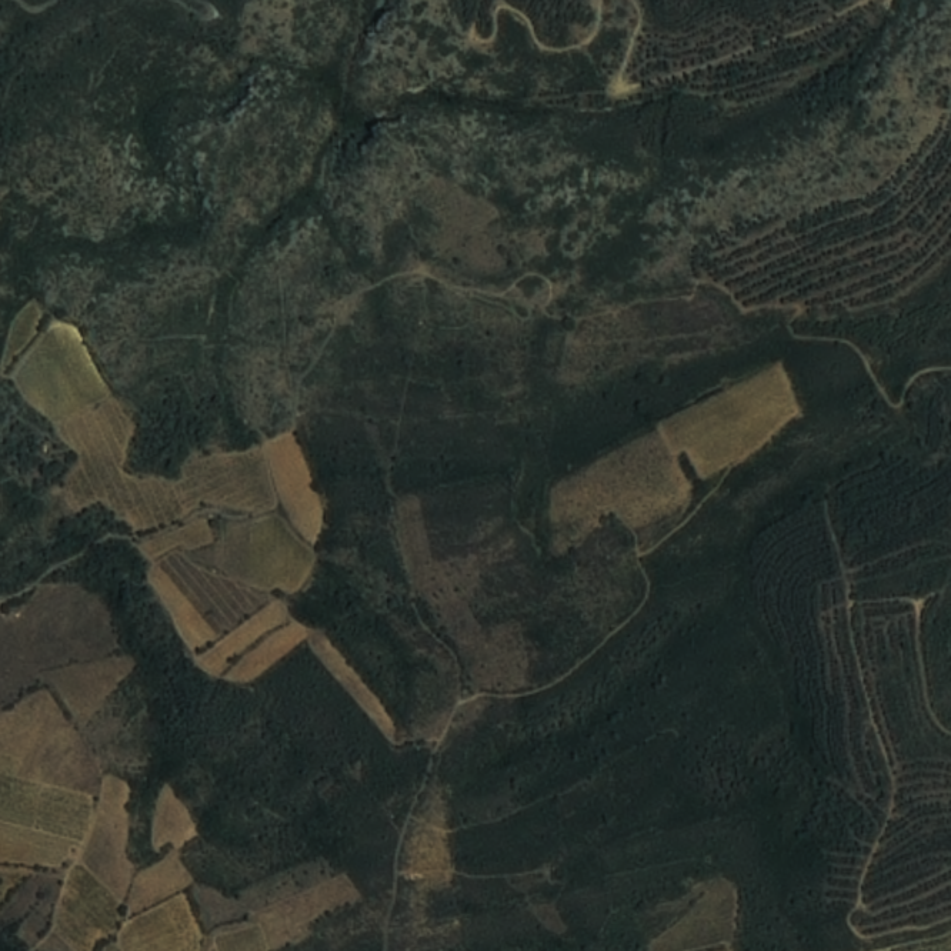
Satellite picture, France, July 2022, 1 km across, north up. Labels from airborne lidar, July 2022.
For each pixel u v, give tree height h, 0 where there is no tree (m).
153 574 0
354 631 7
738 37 8
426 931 0
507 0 7
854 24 12
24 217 0
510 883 0
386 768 6
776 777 7
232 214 0
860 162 0
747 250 8
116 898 0
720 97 9
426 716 0
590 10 0
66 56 0
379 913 0
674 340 0
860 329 9
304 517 0
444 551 0
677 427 0
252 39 0
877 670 6
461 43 0
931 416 6
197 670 9
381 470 7
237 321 0
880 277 9
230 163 0
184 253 0
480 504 0
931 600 6
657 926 0
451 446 0
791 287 9
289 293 0
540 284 0
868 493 8
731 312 0
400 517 0
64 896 0
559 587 0
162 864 0
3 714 0
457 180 0
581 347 0
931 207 10
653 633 9
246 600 0
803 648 6
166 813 0
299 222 0
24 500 8
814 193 0
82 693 0
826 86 10
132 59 0
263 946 0
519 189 0
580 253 0
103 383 0
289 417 0
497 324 0
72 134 0
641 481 0
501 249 7
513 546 0
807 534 6
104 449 0
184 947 0
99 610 0
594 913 0
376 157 0
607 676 9
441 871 0
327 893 0
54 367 0
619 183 0
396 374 0
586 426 0
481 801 0
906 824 6
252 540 0
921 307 8
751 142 0
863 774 7
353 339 0
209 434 7
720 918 0
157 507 0
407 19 0
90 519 6
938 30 0
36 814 0
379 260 0
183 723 8
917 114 0
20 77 9
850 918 0
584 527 0
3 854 0
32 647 0
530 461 0
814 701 8
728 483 7
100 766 0
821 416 0
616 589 0
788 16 11
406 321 0
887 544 6
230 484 0
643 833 0
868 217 10
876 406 11
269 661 0
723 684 0
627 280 0
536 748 8
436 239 0
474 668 0
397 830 0
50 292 0
